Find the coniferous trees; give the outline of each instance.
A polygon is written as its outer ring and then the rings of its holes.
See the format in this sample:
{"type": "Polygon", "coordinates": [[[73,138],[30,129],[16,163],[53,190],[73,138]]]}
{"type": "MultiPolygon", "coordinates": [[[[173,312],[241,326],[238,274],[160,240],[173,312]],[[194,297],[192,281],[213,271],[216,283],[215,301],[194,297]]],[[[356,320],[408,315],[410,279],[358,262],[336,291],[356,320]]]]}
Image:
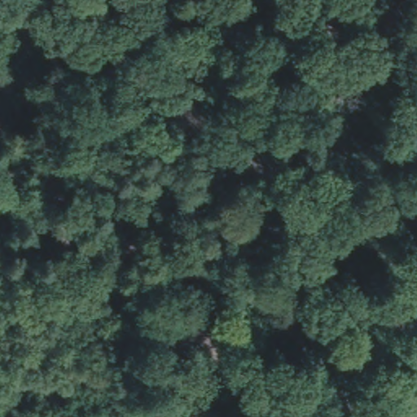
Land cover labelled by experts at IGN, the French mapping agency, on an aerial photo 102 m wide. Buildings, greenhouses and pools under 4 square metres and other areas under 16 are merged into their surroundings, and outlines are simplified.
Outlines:
{"type": "Polygon", "coordinates": [[[46,292],[46,277],[34,272],[34,280],[28,285],[23,279],[11,280],[13,270],[5,264],[0,264],[0,373],[28,367],[28,375],[42,378],[42,375],[49,373],[50,368],[54,358],[65,355],[55,342],[57,339],[64,339],[65,331],[62,331],[64,324],[46,321],[42,318],[42,309],[39,311],[34,308],[39,296],[46,292]]]}

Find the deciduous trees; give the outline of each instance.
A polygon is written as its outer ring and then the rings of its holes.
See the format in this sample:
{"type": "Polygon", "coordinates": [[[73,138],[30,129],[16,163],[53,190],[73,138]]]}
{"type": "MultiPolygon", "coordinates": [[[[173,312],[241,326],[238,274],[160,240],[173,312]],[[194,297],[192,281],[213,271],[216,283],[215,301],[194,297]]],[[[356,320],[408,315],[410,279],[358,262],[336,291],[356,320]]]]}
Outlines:
{"type": "Polygon", "coordinates": [[[42,309],[42,318],[46,321],[64,324],[62,331],[65,331],[64,339],[57,339],[55,342],[65,355],[54,358],[50,368],[65,375],[90,371],[101,376],[109,384],[108,389],[111,393],[122,393],[125,389],[125,397],[121,399],[122,407],[132,414],[140,412],[143,417],[417,417],[417,0],[0,0],[0,264],[5,264],[13,270],[11,280],[23,279],[28,285],[34,280],[34,272],[46,277],[46,292],[39,296],[34,308],[39,311],[42,309]]]}

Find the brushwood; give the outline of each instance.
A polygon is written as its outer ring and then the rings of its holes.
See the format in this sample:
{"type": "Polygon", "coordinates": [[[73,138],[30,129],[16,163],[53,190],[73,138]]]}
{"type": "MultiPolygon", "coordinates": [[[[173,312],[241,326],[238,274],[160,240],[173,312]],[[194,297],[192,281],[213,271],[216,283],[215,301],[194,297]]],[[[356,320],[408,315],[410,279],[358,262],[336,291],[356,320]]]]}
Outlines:
{"type": "Polygon", "coordinates": [[[125,397],[125,389],[122,393],[111,393],[108,389],[109,384],[101,376],[90,371],[65,375],[50,368],[49,373],[42,375],[42,378],[28,375],[28,367],[0,373],[0,417],[143,417],[140,412],[132,414],[122,407],[121,399],[125,397]]]}

